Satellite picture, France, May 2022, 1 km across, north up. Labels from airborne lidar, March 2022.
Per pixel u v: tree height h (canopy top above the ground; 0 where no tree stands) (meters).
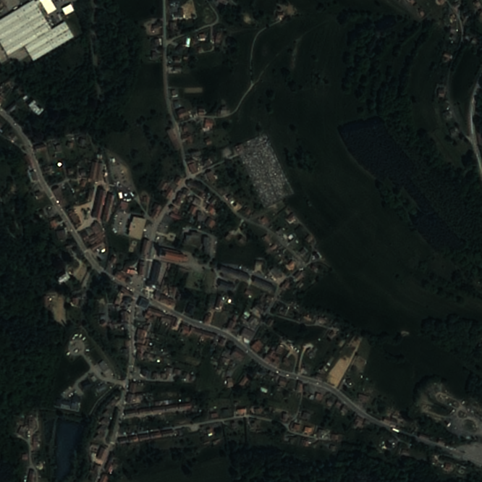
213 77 0
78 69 9
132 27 22
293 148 0
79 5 19
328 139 0
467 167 18
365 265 0
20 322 24
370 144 30
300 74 0
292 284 9
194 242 0
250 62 0
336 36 0
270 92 13
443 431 13
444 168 17
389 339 16
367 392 0
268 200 0
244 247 0
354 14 18
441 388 0
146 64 0
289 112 0
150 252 0
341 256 0
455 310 0
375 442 0
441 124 0
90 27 11
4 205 16
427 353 0
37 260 21
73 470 12
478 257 21
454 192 7
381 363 0
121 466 0
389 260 0
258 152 0
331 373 0
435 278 15
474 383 17
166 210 0
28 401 27
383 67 0
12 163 19
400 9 0
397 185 26
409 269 0
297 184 0
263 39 0
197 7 0
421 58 0
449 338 29
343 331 10
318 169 0
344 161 0
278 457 26
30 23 0
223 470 0
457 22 0
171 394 0
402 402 0
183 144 0
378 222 0
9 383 25
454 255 23
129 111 0
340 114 0
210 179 0
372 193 0
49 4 0
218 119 0
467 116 0
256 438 0
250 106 0
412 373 0
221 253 0
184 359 0
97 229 0
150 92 0
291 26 0
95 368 0
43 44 0
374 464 15
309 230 0
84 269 0
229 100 0
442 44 12
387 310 0
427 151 18
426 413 0
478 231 6
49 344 26
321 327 0
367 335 18
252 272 0
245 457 25
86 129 14
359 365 0
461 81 0
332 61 0
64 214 0
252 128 0
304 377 0
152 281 0
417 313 0
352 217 0
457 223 6
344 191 0
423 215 24
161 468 0
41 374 27
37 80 16
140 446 0
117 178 0
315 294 0
